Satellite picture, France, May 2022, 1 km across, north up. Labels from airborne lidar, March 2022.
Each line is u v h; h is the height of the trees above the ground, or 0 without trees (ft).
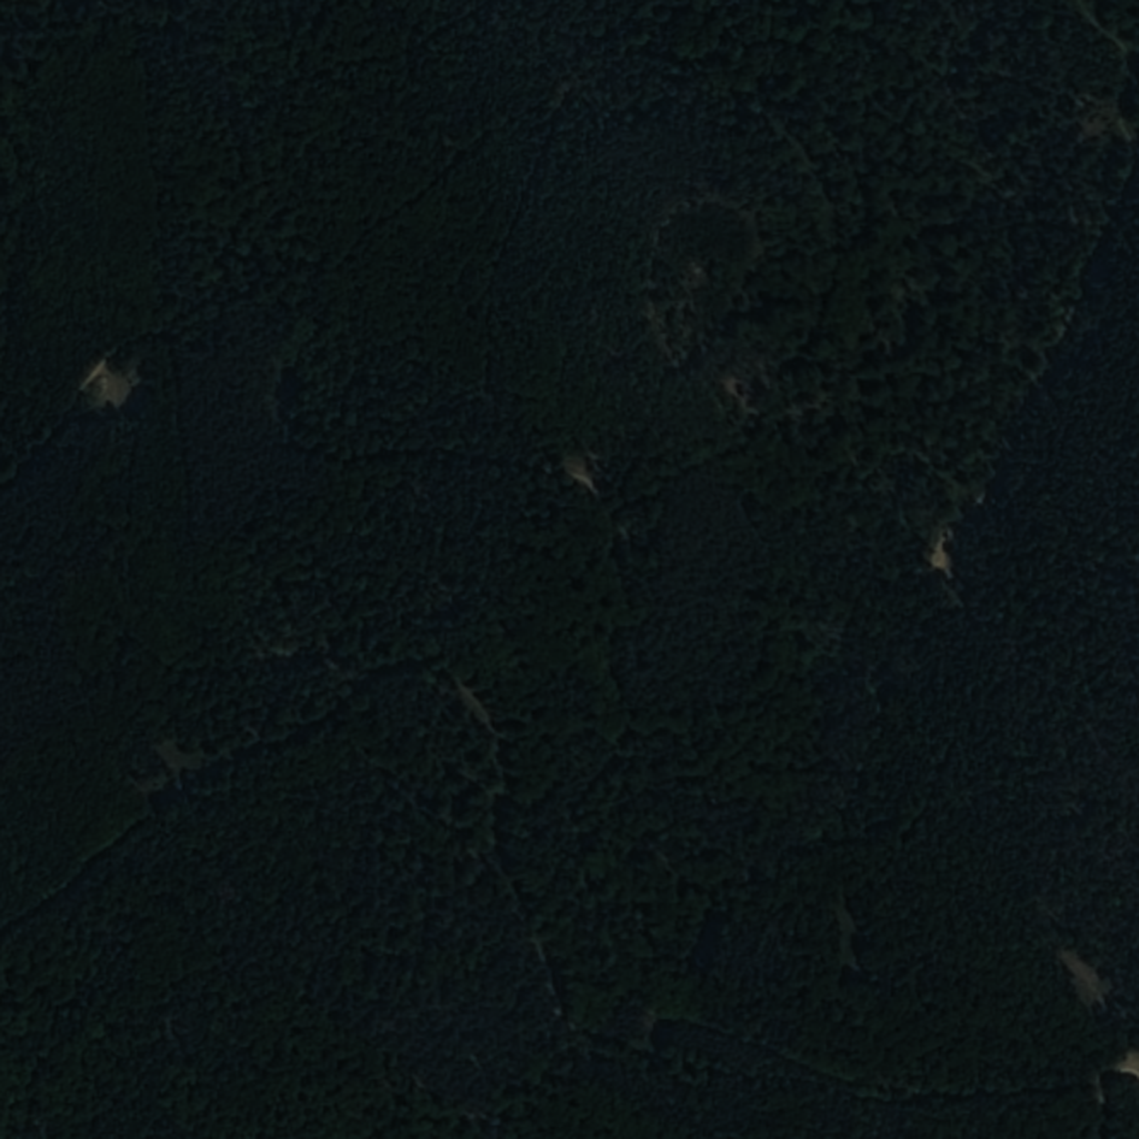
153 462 51
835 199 135
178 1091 78
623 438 60
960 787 85
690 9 106
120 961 77
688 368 69
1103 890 73
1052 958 55
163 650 73
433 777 37
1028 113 39
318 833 79
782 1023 82
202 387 91
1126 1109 58
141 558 57
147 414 43
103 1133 74
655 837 89
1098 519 70
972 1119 67
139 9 88
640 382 81
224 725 81
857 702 111
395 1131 110
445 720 70
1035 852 73
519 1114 87
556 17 87
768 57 87
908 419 117
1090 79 45
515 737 91
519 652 101
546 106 26
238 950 90
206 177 95
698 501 112
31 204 65
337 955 85
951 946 74
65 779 75
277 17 92
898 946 80
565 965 96
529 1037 79
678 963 81
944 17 116
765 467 106
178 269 82
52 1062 77
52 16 27
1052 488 95
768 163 89
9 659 96
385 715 87
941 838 68
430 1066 112
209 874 59
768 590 89
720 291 31
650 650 94
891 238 115
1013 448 115
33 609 99
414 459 82
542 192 56
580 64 76
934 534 0
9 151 53
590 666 110
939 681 78
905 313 0
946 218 90
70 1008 65
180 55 65
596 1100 86
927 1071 62
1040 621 81
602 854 98
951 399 114
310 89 80
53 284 46
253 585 72
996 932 63
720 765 104
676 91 104
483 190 61
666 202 78
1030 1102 62
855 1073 72
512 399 57
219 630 70
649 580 88
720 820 94
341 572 85
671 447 92
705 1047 84
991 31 120
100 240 43
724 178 110
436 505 96
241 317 94
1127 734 72
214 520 87
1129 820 72
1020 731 78
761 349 118
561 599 102
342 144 66
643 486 95
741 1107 75
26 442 74
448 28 72
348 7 82
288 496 85
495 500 81
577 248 65
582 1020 83
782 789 109
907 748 65
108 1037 81
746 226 31
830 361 101
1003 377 108
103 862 53
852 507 109
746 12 99
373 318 78
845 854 80
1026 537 94
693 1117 70
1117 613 89
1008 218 22
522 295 76
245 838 69
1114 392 85
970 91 104
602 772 96
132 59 62
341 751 67
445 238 68
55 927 72
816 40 122
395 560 84
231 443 95
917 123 116
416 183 81
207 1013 74
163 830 54
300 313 91
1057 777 85
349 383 73
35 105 55
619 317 78
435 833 95
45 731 79
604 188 54
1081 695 56
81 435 79
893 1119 69
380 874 77
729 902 82
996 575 91
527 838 93
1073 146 24
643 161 82
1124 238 30
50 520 87
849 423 113
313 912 89
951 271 127
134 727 71
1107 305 95
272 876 75
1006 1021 67
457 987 87
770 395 116
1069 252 117
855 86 107
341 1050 88
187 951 73
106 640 71
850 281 53
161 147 67
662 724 101
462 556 82
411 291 75
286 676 84
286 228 86
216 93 89
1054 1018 62
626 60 84
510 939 104
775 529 95
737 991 85
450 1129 78
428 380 87
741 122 98
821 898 81
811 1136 79
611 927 86
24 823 61
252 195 113
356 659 79
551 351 60
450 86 66
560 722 107
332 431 106
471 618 67
